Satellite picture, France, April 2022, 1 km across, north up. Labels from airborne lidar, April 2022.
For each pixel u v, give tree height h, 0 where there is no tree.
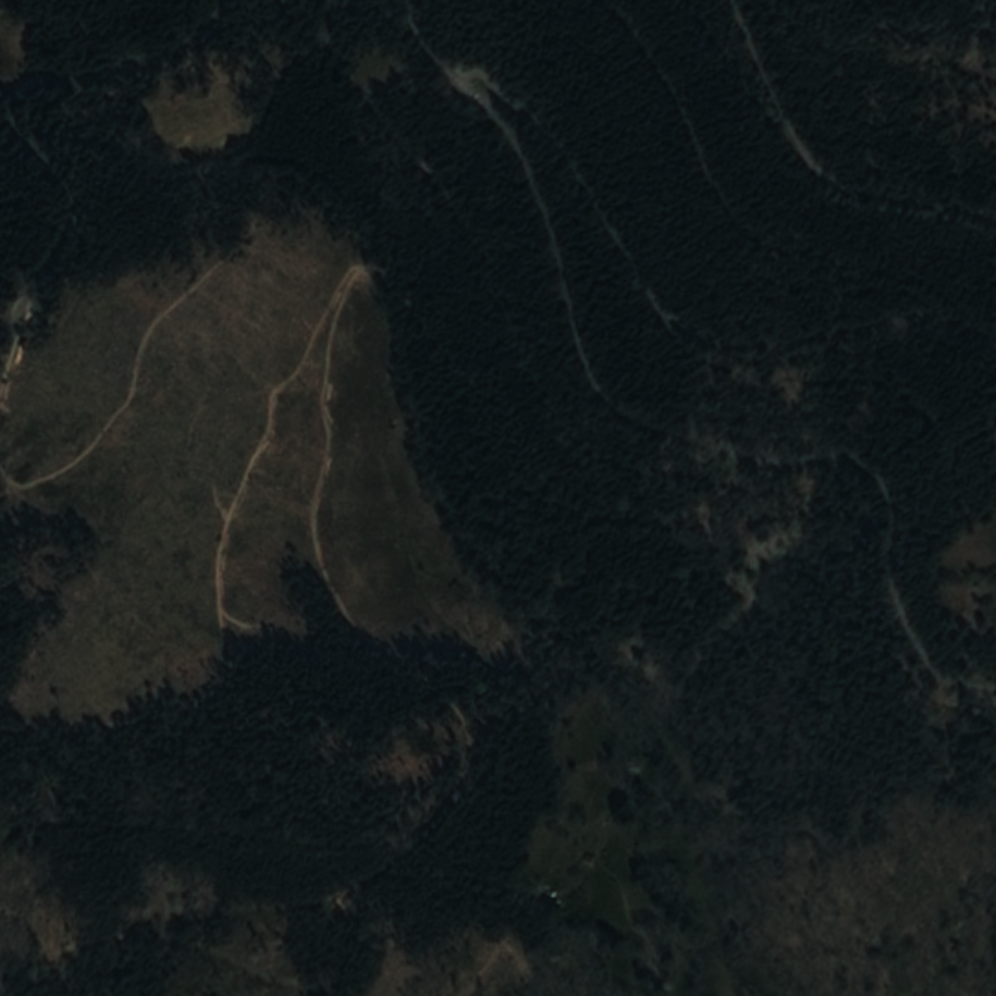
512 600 33
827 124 12
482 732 23
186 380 0
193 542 0
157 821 20
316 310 0
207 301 0
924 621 18
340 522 0
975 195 15
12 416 0
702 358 18
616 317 22
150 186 28
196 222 29
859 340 21
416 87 23
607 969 25
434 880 30
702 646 23
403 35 29
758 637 29
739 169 17
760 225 21
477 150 26
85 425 0
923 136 7
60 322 32
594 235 27
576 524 19
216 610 0
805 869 15
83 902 24
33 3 28
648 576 21
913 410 28
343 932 22
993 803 25
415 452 19
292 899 20
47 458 0
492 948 0
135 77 27
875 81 9
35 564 22
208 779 25
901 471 22
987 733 27
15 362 0
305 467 0
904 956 19
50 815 25
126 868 23
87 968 21
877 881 20
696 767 24
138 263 30
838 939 17
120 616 0
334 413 0
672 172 19
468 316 18
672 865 27
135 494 0
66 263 30
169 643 0
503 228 29
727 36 15
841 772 21
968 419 25
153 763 28
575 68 25
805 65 10
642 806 21
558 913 27
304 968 24
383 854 22
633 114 21
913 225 23
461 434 23
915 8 24
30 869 23
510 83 24
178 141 0
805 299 25
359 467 0
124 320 0
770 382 23
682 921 24
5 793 25
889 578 20
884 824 24
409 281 24
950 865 17
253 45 34
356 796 29
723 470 20
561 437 20
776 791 17
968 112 13
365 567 0
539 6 22
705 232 21
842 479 29
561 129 20
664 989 25
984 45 24
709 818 29
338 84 23
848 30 26
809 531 22
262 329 0
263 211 26
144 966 36
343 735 14
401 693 32
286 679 30
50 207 26
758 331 15
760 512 25
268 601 0
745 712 23
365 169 24
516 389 23
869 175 18
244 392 0
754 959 16
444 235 23
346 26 31
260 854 20
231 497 0
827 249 22
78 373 0
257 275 0
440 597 0
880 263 25
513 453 27
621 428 24
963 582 18
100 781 27
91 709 0
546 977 23
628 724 26
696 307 19
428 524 0
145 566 0
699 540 25
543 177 29
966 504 17
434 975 20
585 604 23
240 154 31
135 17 21
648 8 23
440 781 28
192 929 28
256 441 0
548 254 24
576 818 22
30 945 19
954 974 19
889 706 24
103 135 35
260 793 26
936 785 16
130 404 0
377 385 0
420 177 25
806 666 22
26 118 37
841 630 21
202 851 19
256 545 0
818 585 25
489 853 31
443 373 24
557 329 24
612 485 26
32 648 28
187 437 0
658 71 19
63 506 0
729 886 19
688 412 22
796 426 18
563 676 19
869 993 19
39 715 0
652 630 20
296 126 21
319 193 16
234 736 28
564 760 8
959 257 24
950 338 22
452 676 35
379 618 0
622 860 0
